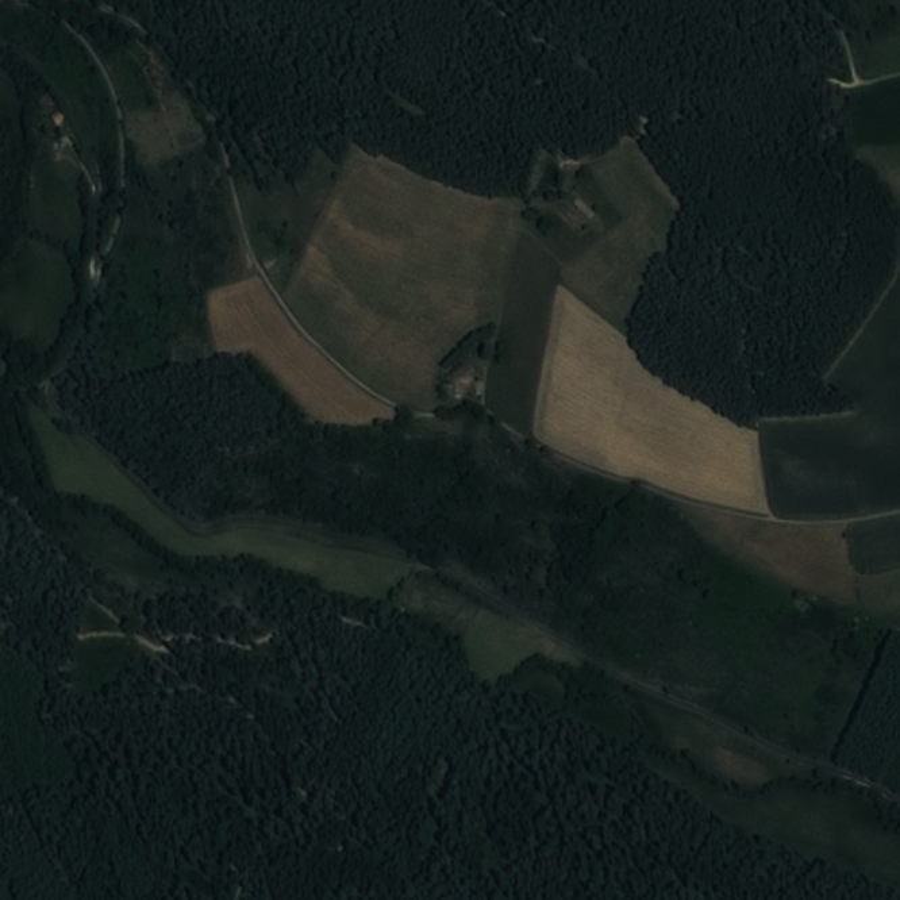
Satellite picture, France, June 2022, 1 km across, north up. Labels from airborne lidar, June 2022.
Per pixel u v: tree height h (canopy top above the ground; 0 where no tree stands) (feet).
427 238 0
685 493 0
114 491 0
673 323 73
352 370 0
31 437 59
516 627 0
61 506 44
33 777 26
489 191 61
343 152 72
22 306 0
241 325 0
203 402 41
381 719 84
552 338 0
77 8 42
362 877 87
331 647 94
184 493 22
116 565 0
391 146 51
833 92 47
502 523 42
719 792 0
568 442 0
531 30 99
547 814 35
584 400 0
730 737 0
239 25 90
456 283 0
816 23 82
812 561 0
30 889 63
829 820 0
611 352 0
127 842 65
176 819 90
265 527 0
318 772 89
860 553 0
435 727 96
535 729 68
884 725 89
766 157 104
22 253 0
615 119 63
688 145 79
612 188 0
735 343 49
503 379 0
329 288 0
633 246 0
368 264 0
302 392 0
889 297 0
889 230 79
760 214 92
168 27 21
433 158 72
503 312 0
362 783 87
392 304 0
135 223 0
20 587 109
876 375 0
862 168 77
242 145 84
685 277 51
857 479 0
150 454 72
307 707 37
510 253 0
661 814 111
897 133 0
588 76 76
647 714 0
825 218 65
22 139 30
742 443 0
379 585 0
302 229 0
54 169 0
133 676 52
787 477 0
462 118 79
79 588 103
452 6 65
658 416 0
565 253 0
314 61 74
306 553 0
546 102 75
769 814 0
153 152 0
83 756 104
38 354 48
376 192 0
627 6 101
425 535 43
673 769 0
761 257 77
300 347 0
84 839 39
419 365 0
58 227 0
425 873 48
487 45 93
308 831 115
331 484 23
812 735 0
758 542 0
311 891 91
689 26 100
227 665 71
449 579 43
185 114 0
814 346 78
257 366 40
